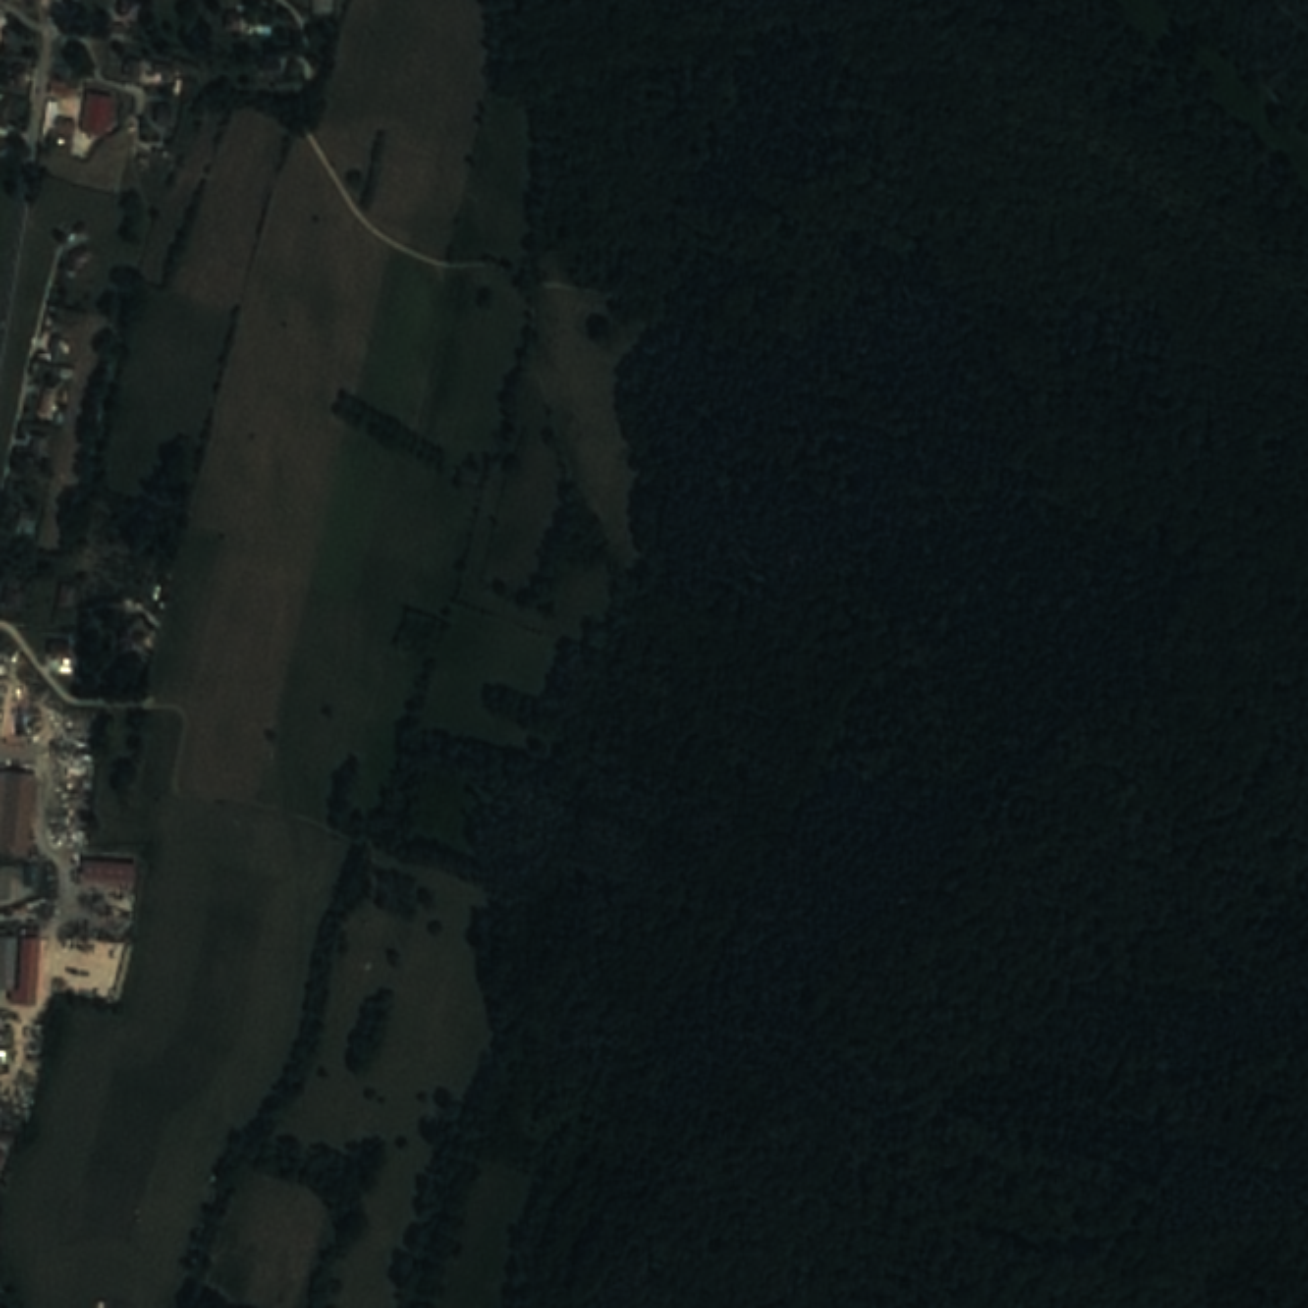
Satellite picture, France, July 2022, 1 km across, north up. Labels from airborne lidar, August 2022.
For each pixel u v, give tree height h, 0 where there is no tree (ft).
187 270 0
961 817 59
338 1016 0
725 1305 74
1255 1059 74
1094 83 90
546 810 71
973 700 30
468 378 0
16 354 0
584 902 64
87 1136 0
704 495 82
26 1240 0
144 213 27
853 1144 65
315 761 0
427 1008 0
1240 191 96
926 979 63
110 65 0
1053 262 56
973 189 55
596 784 77
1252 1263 55
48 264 0
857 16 84
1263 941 78
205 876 0
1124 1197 81
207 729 0
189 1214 0
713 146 61
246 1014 0
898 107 64
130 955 0
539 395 0
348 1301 0
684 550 79
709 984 94
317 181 0
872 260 48
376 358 0
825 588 61
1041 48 102
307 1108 0
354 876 38
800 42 73
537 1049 56
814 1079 72
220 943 0
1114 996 64
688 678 59
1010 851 61
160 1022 0
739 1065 73
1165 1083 76
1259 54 68
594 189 61
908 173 58
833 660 73
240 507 0
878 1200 50
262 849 0
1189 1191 87
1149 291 63
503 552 0
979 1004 62
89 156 0
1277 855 76
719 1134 65
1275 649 82
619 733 76
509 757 49
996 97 49
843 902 88
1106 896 66
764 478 85
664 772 54
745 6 77
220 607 0
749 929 87
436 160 0
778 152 68
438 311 0
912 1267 66
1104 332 70
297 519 0
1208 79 37
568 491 47
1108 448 82
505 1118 32
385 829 42
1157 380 89
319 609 0
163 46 48
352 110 0
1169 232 53
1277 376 71
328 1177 39
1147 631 61
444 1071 0
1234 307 49
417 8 0
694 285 50
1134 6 0
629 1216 58
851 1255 60
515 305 0
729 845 79
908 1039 54
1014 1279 64
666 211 31
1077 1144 41
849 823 68
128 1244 0
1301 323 66
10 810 0
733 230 53
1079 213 58
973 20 88
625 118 65
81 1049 0
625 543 0
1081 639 73
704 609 62
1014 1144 75
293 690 0
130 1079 0
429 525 0
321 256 0
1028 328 59
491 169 0
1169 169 58
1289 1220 78
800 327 61
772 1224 67
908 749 30
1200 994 67
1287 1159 64
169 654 0
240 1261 0
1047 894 51
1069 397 82
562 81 60
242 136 0
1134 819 62
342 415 31
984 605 61
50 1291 0
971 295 70
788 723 78
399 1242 0
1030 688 73
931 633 61
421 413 0
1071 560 68
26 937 0
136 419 0
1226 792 74
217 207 0
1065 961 53
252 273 0
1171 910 66
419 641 24
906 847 90
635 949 77
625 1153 34
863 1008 62
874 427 82
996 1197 59
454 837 0
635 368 56
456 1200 49
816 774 73
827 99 53
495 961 70
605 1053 66
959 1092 33
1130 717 69
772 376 78
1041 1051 59
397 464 0
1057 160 44
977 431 78
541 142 41
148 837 0
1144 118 93
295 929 0
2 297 0
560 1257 39
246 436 0
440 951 0
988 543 52
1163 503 75
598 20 72
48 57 0
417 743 57
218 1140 0
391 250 0
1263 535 89
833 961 77
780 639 65
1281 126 49
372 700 0
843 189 52
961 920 58
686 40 52
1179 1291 54
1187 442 77
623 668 74
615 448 0
